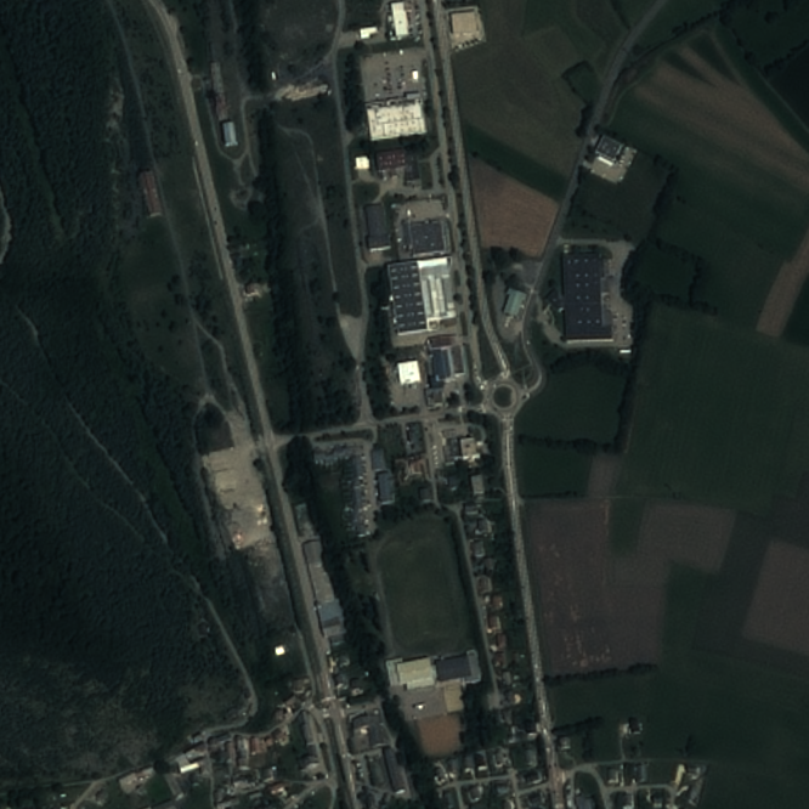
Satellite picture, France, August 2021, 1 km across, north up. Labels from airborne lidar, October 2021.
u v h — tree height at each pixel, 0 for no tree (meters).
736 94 0
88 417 22
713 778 0
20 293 26
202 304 13
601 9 0
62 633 19
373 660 17
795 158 0
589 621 0
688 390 0
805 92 0
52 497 11
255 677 8
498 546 6
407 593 0
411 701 0
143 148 6
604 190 0
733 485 0
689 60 0
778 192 0
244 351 0
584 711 0
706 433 0
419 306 0
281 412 0
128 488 17
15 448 19
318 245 0
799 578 0
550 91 0
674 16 0
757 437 0
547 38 0
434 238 0
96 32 15
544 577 0
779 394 0
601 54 0
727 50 0
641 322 7
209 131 0
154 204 0
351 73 8
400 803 6
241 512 0
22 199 21
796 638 0
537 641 0
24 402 12
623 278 6
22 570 22
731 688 0
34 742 7
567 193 0
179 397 7
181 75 0
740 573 0
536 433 0
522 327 0
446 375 0
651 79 0
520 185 0
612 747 0
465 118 0
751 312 0
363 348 0
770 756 0
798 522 0
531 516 0
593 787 0
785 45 0
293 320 18
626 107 0
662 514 0
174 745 6
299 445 19
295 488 11
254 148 0
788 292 0
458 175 10
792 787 0
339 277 0
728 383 0
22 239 19
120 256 13
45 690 9
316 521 14
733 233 0
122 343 16
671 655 0
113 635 18
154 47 0
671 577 0
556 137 0
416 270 0
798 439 0
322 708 0
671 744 0
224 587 15
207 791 0
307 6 0
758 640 0
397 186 0
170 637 16
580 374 0
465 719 6
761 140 0
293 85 0
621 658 0
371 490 0
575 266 0
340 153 0
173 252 0
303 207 0
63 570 22
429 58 0
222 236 0
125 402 21
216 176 0
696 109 0
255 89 8
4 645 9
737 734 0
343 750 0
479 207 0
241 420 0
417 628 0
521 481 0
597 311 0
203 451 12
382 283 8
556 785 0
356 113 12
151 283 0
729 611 0
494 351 0
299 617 12
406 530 0
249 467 0
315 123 0
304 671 0
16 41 20
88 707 7
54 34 16
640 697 0
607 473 0
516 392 0
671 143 0
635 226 0
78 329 22
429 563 0
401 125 0
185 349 0
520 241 0
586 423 0
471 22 0
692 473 0
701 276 13
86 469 13
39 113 21
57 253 10
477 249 0
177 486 22
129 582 16
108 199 11
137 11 0
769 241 0
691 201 0
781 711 0
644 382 0
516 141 0
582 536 0
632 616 0
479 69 0
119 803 0
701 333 0
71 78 19
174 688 7
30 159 21
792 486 0
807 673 0
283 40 0
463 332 0
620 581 0
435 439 0
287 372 13
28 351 19
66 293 24
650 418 0
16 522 15
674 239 0
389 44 0
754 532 0
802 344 0
